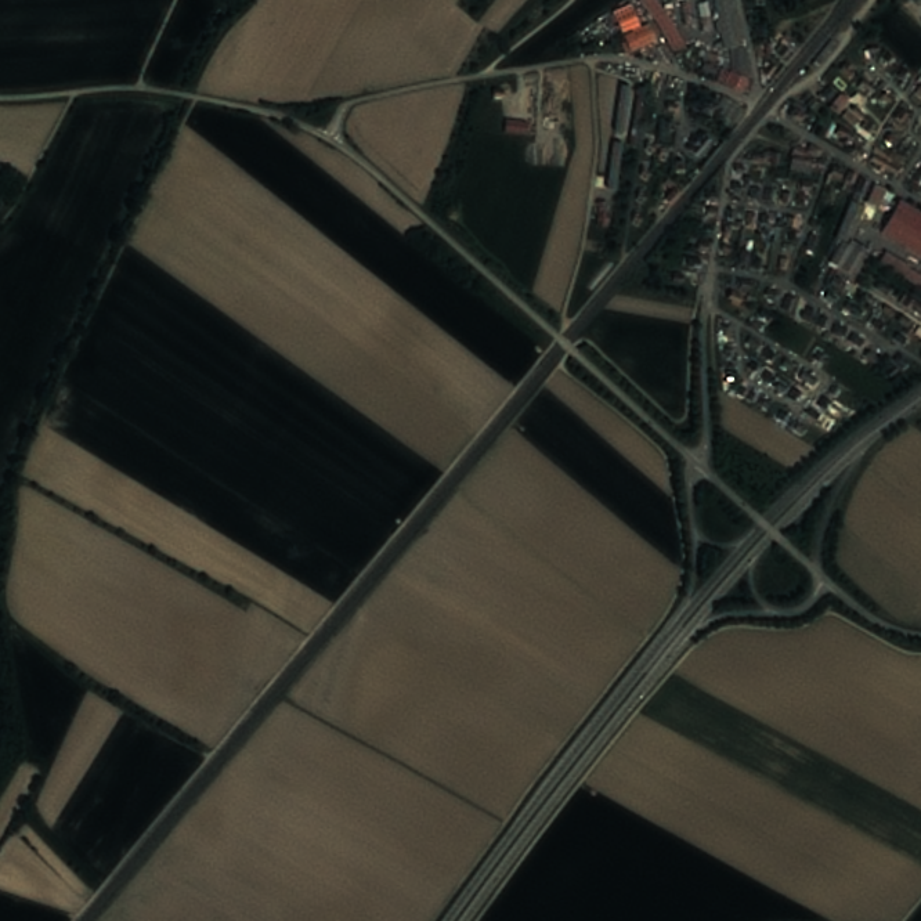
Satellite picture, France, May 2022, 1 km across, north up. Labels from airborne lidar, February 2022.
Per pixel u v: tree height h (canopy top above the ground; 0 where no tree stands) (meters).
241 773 0
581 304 0
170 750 0
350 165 0
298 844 0
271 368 0
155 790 0
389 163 0
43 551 0
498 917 0
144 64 0
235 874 0
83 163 0
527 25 8
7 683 16
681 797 0
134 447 0
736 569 0
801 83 0
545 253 0
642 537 0
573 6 0
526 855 0
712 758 0
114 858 0
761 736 0
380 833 0
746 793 0
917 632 0
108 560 0
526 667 0
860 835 0
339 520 0
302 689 0
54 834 0
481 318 0
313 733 0
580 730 0
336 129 0
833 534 12
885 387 0
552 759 0
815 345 0
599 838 0
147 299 0
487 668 0
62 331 0
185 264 0
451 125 0
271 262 0
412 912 0
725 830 0
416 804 0
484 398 0
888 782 0
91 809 0
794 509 0
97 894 0
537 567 0
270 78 0
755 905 0
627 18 0
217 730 0
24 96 0
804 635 0
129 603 0
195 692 0
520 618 0
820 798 0
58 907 0
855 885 0
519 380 0
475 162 0
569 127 0
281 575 0
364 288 0
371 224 0
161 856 0
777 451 0
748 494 9
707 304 0
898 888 0
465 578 0
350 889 0
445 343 0
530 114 0
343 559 0
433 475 0
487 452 0
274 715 0
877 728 0
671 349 0
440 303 0
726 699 0
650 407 12
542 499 0
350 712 0
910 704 0
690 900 0
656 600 0
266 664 0
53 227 0
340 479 0
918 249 0
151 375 0
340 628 0
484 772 0
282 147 0
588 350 7
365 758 0
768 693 0
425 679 0
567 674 0
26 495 0
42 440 0
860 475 0
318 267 0
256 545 0
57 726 0
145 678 0
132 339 0
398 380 0
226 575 0
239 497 0
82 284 0
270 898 0
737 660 0
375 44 0
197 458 0
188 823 0
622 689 0
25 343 0
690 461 0
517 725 0
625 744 0
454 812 0
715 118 7
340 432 0
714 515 0
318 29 0
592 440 0
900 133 0
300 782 0
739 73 0
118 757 0
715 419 10
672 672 0
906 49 0
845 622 0
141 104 0
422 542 0
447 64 0
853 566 0
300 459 0
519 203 0
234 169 0
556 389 0
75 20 0
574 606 0
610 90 0
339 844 0
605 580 0
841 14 0
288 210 0
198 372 0
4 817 0
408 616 0
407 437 0
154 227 0
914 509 0
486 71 0
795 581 0
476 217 0
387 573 0
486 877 0
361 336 0
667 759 0
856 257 0
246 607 0
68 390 0
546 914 0
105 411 0
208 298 0
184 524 0
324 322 0
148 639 0
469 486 0
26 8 0
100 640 0
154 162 13
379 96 0
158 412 0
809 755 0
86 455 0
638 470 0
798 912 0
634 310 0
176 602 0
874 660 0
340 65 0
